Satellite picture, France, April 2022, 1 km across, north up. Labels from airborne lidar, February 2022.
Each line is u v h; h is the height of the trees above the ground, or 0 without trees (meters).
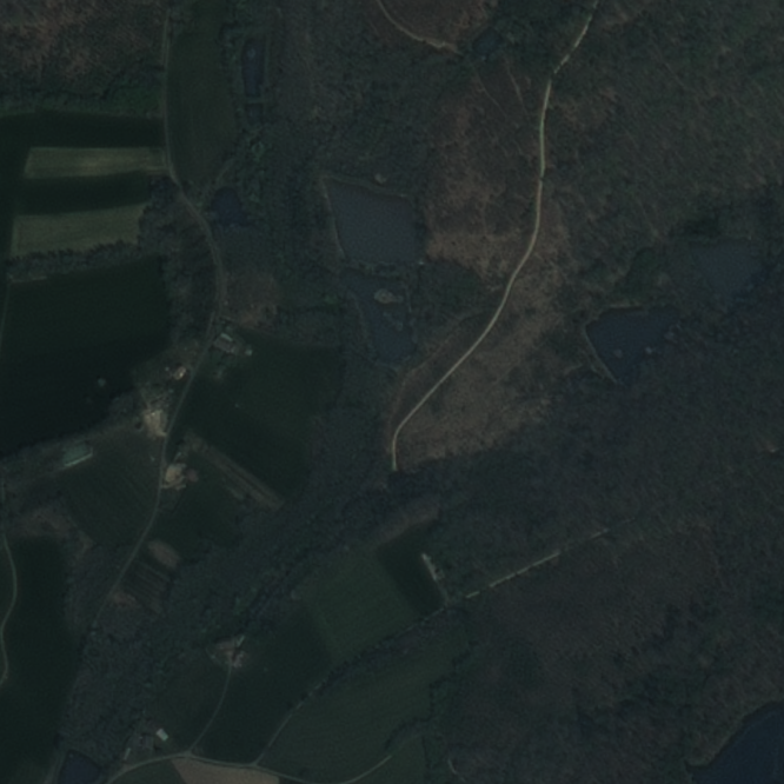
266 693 0
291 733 0
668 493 29
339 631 0
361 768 0
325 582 0
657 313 0
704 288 16
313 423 0
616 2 21
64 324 0
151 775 0
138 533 0
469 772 28
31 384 0
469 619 19
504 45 15
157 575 0
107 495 0
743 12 27
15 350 0
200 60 0
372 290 0
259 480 0
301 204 26
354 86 7
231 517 0
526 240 0
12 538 0
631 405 27
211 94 0
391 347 0
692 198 27
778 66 16
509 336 0
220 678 0
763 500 31
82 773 0
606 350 0
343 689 12
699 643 29
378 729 0
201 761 0
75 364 0
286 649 0
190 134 0
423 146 22
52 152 0
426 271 15
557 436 24
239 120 12
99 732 16
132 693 17
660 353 21
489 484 12
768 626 25
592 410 32
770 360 28
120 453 0
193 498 0
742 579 26
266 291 0
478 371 0
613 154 29
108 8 6
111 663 21
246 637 11
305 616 0
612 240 24
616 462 28
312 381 0
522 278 0
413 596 0
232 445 0
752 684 21
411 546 0
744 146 25
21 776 0
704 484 26
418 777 0
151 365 0
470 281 20
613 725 29
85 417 0
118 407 21
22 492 0
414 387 0
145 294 0
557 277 0
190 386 0
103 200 0
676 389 31
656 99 24
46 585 0
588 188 23
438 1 9
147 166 0
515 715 10
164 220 29
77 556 0
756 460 28
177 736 0
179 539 0
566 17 18
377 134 20
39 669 0
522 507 15
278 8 0
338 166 6
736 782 0
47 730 0
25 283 0
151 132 0
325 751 0
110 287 0
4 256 0
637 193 23
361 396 17
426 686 0
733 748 0
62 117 0
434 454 0
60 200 0
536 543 25
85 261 18
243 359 0
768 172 27
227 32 13
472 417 0
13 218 0
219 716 0
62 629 0
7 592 0
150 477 0
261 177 13
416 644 23
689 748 28
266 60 0
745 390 31
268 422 0
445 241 0
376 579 0
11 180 0
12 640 0
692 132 25
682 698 27
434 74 21
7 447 0
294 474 0
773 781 0
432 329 18
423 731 17
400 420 0
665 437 27
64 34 6
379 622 0
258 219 9
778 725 0
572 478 31
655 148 26
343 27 23
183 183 0
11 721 0
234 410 0
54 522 0
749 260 0
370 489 23
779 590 24
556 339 0
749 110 28
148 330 0
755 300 20
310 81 17
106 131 0
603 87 8
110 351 0
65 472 0
